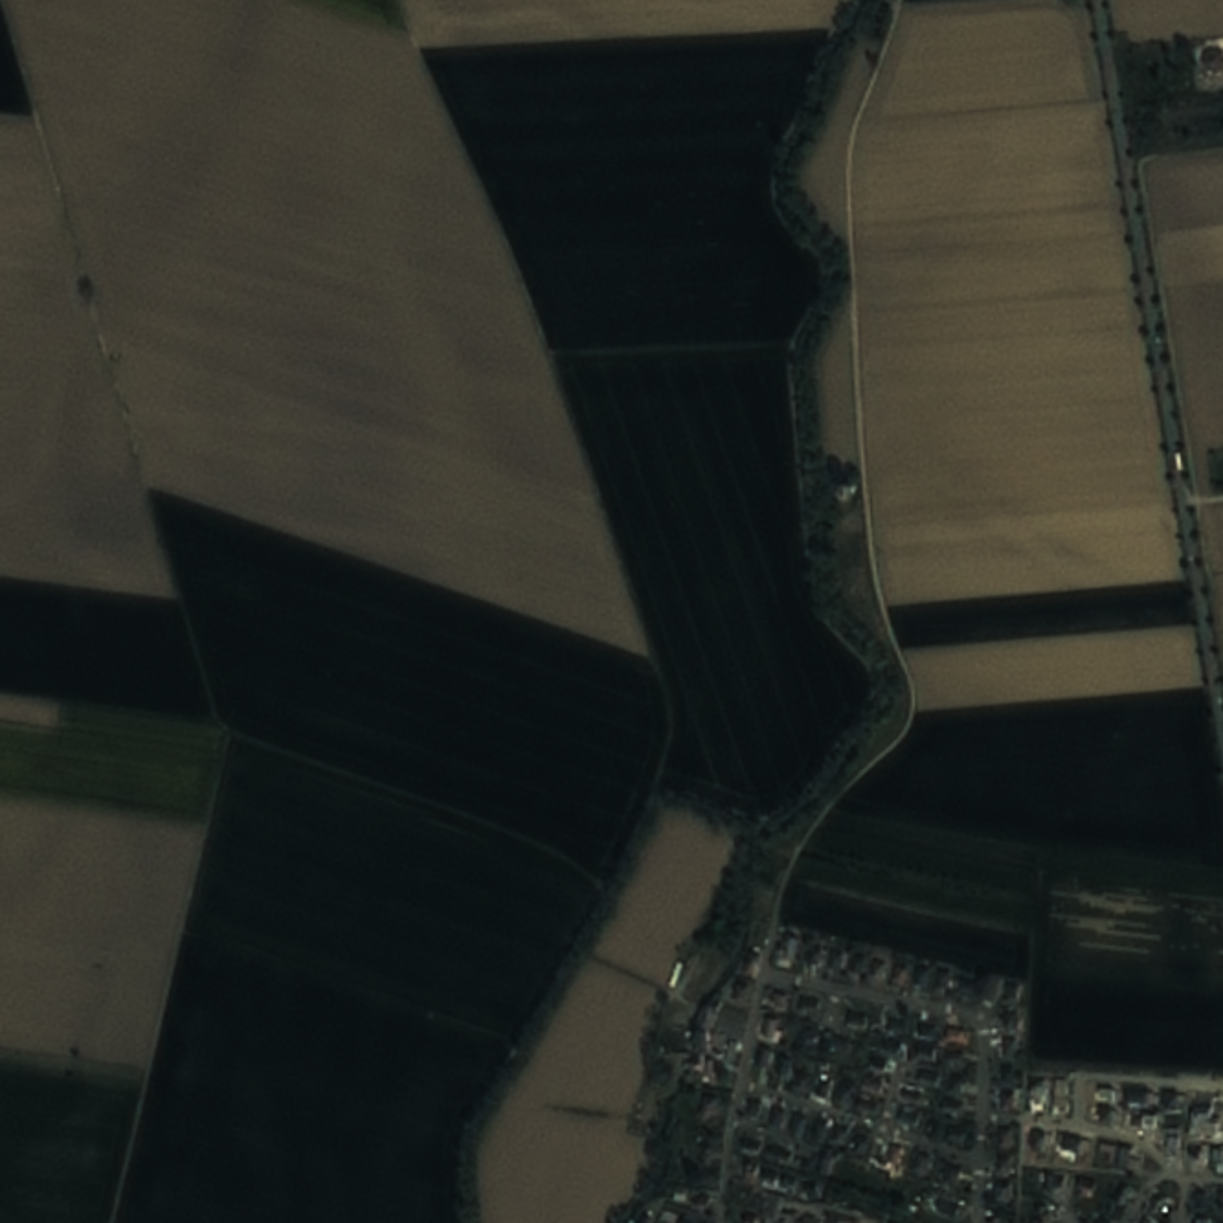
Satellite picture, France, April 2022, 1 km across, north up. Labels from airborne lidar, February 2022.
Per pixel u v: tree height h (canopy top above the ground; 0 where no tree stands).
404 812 0
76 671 0
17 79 0
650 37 0
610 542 0
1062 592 0
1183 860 0
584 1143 0
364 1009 0
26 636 0
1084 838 0
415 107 0
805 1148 0
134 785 0
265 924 0
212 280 0
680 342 0
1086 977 0
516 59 0
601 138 0
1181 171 0
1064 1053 0
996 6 0
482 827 0
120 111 0
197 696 0
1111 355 0
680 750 0
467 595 0
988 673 0
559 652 0
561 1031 0
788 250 0
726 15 0
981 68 0
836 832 0
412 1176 0
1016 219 0
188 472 0
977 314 0
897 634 0
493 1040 0
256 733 0
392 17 0
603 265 0
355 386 0
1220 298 0
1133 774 0
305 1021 0
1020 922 0
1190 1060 0
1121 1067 0
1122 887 0
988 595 0
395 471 0
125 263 0
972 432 0
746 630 0
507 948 0
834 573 14
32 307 0
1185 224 0
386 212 0
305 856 0
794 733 0
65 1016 0
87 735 0
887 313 0
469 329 0
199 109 0
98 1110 0
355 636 0
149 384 0
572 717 0
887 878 0
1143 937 0
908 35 0
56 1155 0
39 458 0
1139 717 0
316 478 0
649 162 0
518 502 0
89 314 0
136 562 0
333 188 0
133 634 0
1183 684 0
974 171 0
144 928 0
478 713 0
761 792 0
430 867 0
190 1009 0
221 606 0
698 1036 0
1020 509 0
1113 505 0
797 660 0
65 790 0
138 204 0
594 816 0
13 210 0
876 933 0
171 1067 0
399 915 0
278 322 0
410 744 0
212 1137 0
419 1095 0
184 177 0
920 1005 0
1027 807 0
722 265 0
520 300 0
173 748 0
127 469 0
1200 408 0
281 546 0
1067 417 0
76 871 0
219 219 0
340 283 0
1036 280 0
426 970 0
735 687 0
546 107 0
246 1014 0
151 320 0
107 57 0
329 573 0
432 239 0
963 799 0
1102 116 0
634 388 0
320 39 0
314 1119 0
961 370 0
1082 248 0
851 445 0
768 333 0
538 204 0
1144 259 0
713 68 0
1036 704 0
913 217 0
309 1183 0
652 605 0
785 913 0
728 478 0
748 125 0
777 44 0
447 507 0
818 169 0
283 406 0
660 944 0
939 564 0
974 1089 0
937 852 0
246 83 0
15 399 0
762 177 0
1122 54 0
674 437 0
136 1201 0
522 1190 0
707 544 0
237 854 0
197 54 0
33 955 0
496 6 0
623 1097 0
